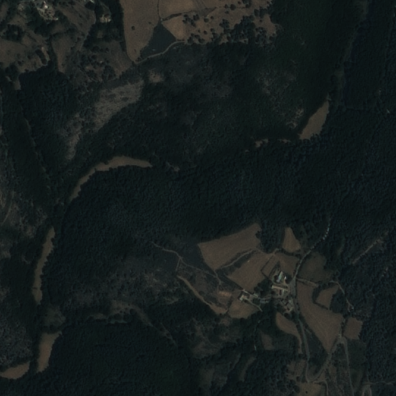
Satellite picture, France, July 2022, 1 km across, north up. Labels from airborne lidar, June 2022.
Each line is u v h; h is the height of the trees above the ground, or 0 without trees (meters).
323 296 0
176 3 0
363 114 21
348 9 18
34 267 19
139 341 22
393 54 14
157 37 0
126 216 19
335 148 15
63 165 8
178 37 0
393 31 8
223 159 21
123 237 13
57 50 0
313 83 18
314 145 17
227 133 12
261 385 7
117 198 6
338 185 15
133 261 0
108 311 20
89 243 10
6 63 0
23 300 20
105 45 0
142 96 9
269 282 12
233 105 14
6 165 10
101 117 0
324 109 0
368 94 21
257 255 0
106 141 12
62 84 18
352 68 18
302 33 16
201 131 10
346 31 16
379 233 13
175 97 12
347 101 18
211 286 0
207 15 0
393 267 6
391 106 11
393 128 17
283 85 10
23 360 17
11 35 13
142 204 21
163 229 12
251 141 19
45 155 24
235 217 18
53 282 16
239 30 15
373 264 14
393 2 17
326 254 12
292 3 16
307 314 0
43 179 20
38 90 22
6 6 0
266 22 0
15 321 13
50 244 0
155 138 14
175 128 17
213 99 7
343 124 20
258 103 13
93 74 9
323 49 20
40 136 16
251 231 0
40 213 15
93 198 9
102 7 10
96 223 18
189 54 0
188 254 0
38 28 16
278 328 7
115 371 19
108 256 11
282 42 14
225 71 8
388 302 17
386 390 6
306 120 14
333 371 0
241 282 0
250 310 0
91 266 10
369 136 12
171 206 21
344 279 18
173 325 13
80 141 12
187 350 18
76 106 9
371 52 19
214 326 9
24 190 13
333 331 0
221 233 16
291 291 0
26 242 15
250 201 12
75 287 12
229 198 10
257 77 8
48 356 0
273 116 7
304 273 0
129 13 0
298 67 12
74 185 14
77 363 20
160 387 18
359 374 0
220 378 0
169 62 6
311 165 21
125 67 0
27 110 21
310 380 0
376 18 22
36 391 15
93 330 18
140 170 19
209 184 21
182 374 16
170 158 17
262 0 0
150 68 0
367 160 21
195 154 8
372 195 15
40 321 26
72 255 22
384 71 18
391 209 17
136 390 23
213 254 0
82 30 0
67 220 19
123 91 0
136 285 8
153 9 0
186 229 7
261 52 16
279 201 23
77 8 0
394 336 10
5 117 12
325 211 18
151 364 21
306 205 17
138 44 0
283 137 20
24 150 22
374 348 15
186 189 17
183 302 8
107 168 0
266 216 17
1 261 11
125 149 23
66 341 18
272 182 14
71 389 16
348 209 17
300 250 0
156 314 17
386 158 18
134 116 14
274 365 12
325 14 17
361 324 0
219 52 14
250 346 18
